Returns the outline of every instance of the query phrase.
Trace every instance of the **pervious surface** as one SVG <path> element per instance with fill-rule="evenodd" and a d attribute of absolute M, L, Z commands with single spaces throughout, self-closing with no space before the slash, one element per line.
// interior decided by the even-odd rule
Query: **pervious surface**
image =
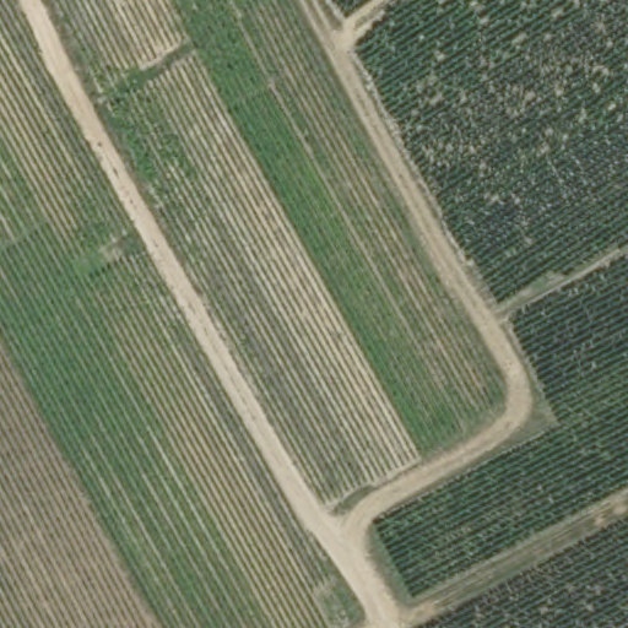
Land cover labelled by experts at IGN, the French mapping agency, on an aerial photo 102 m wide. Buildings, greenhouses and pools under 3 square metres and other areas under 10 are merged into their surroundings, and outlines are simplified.
<path fill-rule="evenodd" d="M 419 471 L 370 493 L 346 515 L 331 515 L 309 491 L 292 456 L 285 451 L 280 437 L 270 427 L 255 397 L 253 385 L 243 378 L 228 351 L 228 343 L 221 339 L 221 324 L 209 316 L 206 302 L 191 289 L 179 260 L 167 245 L 145 201 L 140 199 L 137 186 L 128 174 L 125 162 L 115 152 L 105 128 L 101 125 L 42 0 L 20 0 L 20 7 L 25 10 L 32 25 L 49 74 L 54 76 L 66 105 L 81 125 L 83 137 L 91 142 L 91 150 L 98 155 L 103 172 L 108 174 L 118 199 L 132 218 L 159 275 L 164 277 L 179 307 L 184 309 L 184 316 L 194 336 L 199 339 L 211 366 L 216 368 L 238 415 L 243 417 L 253 439 L 262 449 L 270 469 L 275 471 L 302 525 L 321 542 L 321 547 L 329 552 L 331 562 L 339 567 L 351 591 L 361 601 L 366 611 L 366 621 L 361 628 L 400 628 L 397 603 L 368 557 L 370 523 L 385 510 L 395 508 L 397 503 L 419 493 L 422 488 L 456 473 L 459 469 L 500 446 L 525 422 L 532 395 L 520 356 L 505 339 L 486 297 L 466 275 L 473 260 L 466 258 L 466 253 L 459 248 L 449 228 L 444 231 L 439 221 L 434 221 L 429 206 L 424 204 L 424 196 L 417 189 L 415 177 L 402 162 L 400 147 L 388 137 L 383 120 L 378 118 L 375 103 L 370 101 L 356 71 L 356 61 L 361 56 L 356 52 L 356 42 L 361 39 L 361 34 L 356 32 L 356 22 L 334 0 L 297 0 L 309 27 L 324 44 L 351 98 L 353 110 L 358 113 L 370 142 L 378 150 L 378 157 L 388 167 L 393 186 L 410 213 L 419 243 L 434 262 L 437 275 L 442 277 L 444 287 L 464 304 L 464 309 L 478 326 L 483 341 L 488 343 L 493 358 L 498 361 L 508 380 L 505 412 L 493 424 L 483 427 L 476 437 L 459 444 L 456 449 L 434 456 Z"/>

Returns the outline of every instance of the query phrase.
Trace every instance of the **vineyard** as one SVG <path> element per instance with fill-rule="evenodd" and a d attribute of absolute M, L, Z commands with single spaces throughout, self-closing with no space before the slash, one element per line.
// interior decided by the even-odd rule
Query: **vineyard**
<path fill-rule="evenodd" d="M 54 76 L 49 74 L 32 25 L 25 10 L 20 7 L 20 0 L 0 0 L 0 628 L 361 628 L 366 621 L 366 611 L 361 601 L 351 591 L 339 567 L 331 562 L 329 552 L 321 547 L 321 542 L 302 525 L 275 471 L 270 469 L 262 449 L 253 439 L 243 417 L 238 415 L 216 368 L 211 366 L 199 339 L 194 336 L 184 316 L 184 309 L 179 307 L 164 277 L 159 275 L 132 218 L 118 199 L 108 174 L 103 172 L 98 155 L 91 150 L 91 142 L 83 137 L 81 125 L 66 105 Z"/>
<path fill-rule="evenodd" d="M 255 397 L 270 427 L 280 437 L 285 451 L 292 456 L 309 491 L 331 515 L 346 515 L 370 493 L 419 471 L 434 456 L 456 449 L 459 444 L 476 437 L 483 427 L 493 424 L 505 412 L 508 380 L 498 361 L 493 358 L 488 343 L 483 341 L 478 326 L 464 309 L 464 304 L 444 287 L 442 277 L 437 275 L 434 262 L 419 243 L 410 213 L 393 186 L 388 167 L 378 157 L 378 150 L 370 142 L 358 113 L 353 110 L 351 98 L 324 44 L 309 27 L 297 0 L 42 0 L 101 125 L 105 128 L 115 152 L 125 162 L 128 174 L 137 186 L 140 199 L 145 201 L 167 245 L 179 260 L 191 289 L 206 302 L 209 316 L 221 324 L 221 339 L 228 343 L 228 351 L 243 378 L 253 385 Z"/>
<path fill-rule="evenodd" d="M 356 61 L 356 71 L 370 101 L 375 103 L 378 118 L 383 120 L 388 137 L 400 147 L 402 162 L 415 177 L 417 189 L 424 196 L 424 204 L 429 206 L 434 221 L 439 221 L 444 231 L 449 228 L 459 248 L 466 253 L 466 258 L 473 260 L 466 275 L 486 297 L 505 339 L 520 356 L 532 395 L 525 422 L 500 446 L 459 469 L 456 473 L 422 488 L 419 493 L 397 503 L 395 508 L 385 510 L 370 523 L 368 557 L 397 603 L 400 628 L 628 628 L 628 0 L 334 0 L 356 22 L 356 32 L 361 34 L 361 39 L 356 42 L 356 52 L 361 56 Z"/>

